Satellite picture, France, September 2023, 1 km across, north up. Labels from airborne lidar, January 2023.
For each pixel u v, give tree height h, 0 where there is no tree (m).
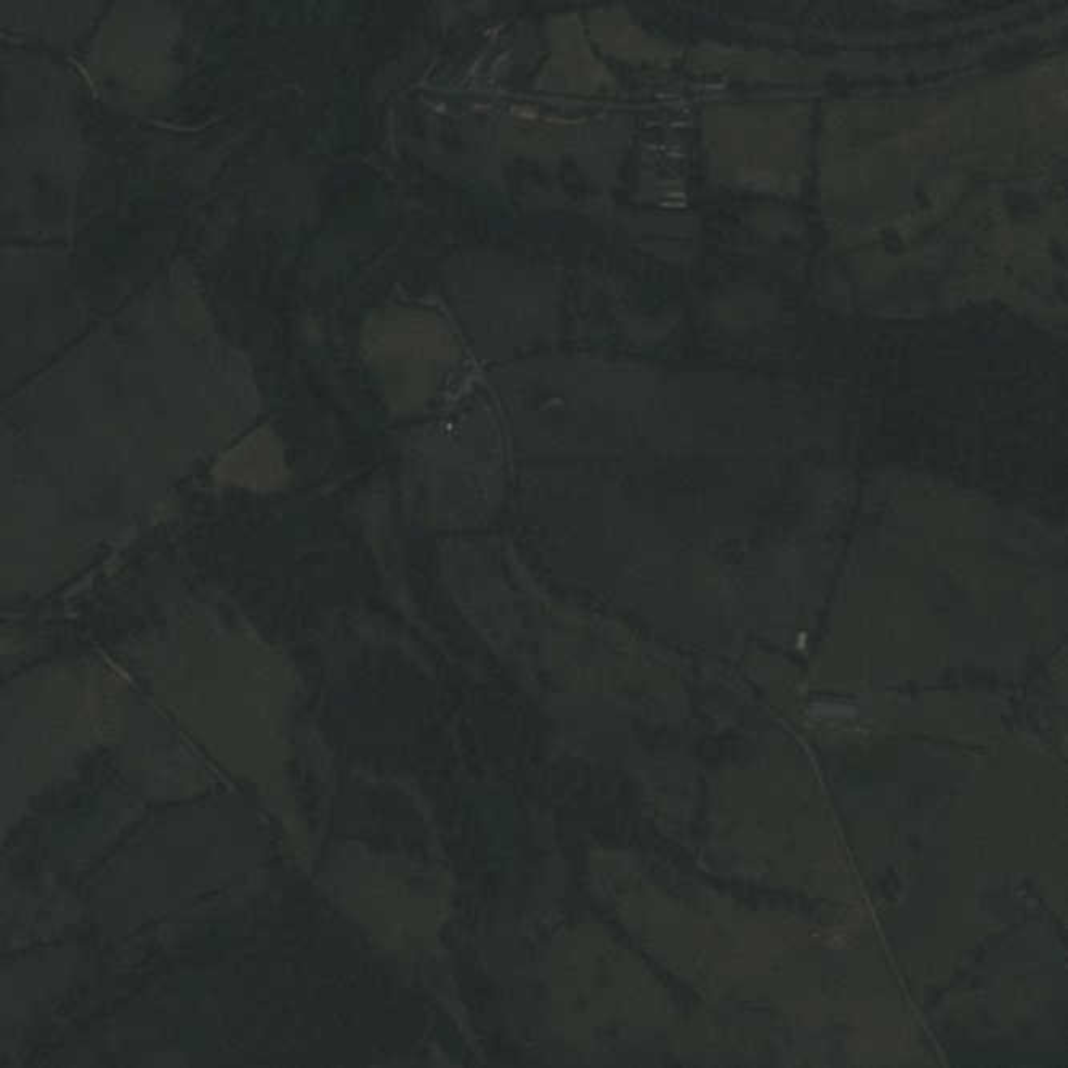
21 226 0
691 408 0
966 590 0
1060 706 0
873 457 9
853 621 0
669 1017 0
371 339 0
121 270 0
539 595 0
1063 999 0
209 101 7
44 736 0
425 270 16
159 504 0
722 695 0
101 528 0
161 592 0
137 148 11
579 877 15
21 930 0
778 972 0
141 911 0
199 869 0
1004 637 0
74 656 13
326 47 18
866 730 0
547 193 0
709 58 0
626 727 0
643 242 0
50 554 0
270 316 7
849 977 0
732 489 0
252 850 0
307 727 0
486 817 0
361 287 10
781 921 0
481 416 0
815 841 0
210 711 0
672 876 0
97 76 0
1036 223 0
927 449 6
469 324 0
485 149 0
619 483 0
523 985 0
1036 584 0
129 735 0
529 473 0
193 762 0
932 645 0
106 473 0
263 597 21
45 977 0
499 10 17
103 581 14
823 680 0
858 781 0
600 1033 0
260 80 18
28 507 0
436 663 17
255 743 0
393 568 0
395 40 13
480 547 0
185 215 0
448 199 23
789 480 0
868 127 0
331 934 22
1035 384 21
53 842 0
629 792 15
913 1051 0
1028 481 22
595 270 12
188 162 0
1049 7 7
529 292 0
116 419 0
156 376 0
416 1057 0
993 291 0
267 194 0
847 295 0
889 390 8
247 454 0
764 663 0
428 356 0
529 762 19
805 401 0
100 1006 0
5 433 0
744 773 0
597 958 0
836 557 0
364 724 21
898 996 0
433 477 0
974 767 0
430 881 0
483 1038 21
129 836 7
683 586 0
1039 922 0
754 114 0
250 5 24
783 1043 0
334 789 0
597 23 0
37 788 0
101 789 0
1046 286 0
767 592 0
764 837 0
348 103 0
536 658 17
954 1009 0
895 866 0
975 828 0
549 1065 0
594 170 0
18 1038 0
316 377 11
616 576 0
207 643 0
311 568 21
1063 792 0
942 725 0
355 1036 24
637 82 10
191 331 0
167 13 0
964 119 0
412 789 0
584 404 0
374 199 0
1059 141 0
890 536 0
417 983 0
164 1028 0
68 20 0
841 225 0
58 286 0
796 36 0
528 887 0
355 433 16
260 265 0
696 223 0
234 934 0
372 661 13
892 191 0
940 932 0
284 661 0
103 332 0
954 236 0
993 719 0
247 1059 23
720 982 0
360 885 0
